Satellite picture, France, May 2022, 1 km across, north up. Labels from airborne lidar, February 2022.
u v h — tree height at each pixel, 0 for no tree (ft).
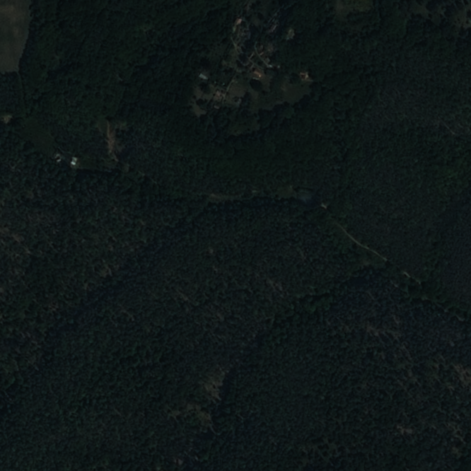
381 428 66
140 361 85
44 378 102
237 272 102
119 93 73
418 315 107
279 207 90
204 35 79
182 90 82
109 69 59
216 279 100
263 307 87
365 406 94
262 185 86
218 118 57
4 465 85
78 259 89
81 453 65
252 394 92
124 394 93
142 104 60
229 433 105
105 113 64
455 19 0
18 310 107
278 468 80
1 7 0
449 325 109
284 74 59
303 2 76
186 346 69
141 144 62
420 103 73
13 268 94
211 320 83
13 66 0
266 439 96
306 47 75
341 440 73
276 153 103
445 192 88
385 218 58
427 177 83
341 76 113
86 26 81
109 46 91
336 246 62
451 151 80
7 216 102
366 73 111
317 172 87
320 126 97
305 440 87
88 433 88
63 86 102
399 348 98
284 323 104
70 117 54
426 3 0
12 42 0
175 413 0
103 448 86
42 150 0
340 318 71
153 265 96
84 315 102
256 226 89
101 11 78
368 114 68
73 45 55
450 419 95
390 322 107
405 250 64
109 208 101
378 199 78
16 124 79
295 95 0
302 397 83
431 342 106
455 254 71
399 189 71
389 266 59
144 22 94
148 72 94
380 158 78
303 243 105
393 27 91
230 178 78
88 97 78
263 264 98
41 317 102
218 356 95
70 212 90
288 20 59
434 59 73
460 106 73
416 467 94
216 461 90
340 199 79
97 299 107
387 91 76
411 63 86
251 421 100
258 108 0
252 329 87
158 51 104
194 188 87
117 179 71
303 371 87
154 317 90
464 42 79
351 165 104
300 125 99
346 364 92
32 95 104
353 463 84
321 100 91
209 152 91
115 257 94
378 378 99
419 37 83
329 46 91
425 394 80
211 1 107
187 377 88
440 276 77
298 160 101
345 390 88
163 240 129
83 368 84
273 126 89
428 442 83
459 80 83
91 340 103
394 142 58
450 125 76
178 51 77
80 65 82
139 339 88
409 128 80
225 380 0
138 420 97
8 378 108
